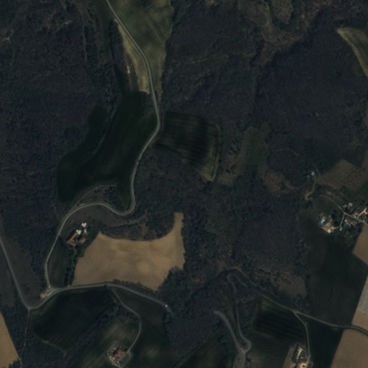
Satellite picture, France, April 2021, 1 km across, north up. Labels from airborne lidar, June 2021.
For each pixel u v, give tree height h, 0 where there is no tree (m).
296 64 23
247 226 20
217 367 0
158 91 8
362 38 0
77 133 14
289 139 14
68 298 0
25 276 0
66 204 10
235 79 20
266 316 0
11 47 18
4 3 11
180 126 0
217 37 11
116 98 7
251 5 14
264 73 32
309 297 6
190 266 7
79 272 0
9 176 8
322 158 12
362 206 13
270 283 12
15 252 0
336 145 16
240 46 15
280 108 19
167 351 0
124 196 0
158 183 24
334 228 0
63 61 14
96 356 0
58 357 13
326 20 16
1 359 0
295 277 8
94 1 0
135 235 14
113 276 0
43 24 9
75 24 22
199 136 0
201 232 6
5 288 0
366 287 0
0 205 11
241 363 0
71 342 0
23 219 6
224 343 13
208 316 18
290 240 21
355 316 0
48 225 6
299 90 17
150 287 0
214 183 8
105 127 6
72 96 18
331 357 0
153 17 0
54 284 0
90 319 0
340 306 0
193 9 23
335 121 16
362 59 0
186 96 17
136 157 9
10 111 8
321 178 0
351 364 0
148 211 5
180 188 13
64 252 7
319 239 0
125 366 0
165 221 13
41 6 13
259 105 21
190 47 15
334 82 18
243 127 16
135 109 0
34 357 11
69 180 0
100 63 14
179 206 18
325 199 0
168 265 0
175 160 13
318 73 22
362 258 0
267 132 0
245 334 12
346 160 9
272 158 12
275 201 18
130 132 0
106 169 0
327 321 0
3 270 0
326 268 0
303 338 0
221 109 16
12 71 8
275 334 0
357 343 0
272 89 18
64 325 0
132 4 0
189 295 28
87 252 0
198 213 8
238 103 17
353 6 14
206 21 18
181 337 21
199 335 16
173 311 17
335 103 17
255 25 14
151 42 0
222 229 8
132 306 0
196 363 0
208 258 13
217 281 19
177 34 12
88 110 10
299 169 17
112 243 0
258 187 11
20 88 13
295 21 15
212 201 18
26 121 10
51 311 0
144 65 0
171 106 16
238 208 20
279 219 20
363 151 9
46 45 7
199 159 0
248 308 19
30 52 9
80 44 9
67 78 10
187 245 13
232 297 13
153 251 0
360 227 13
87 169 0
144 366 0
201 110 18
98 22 12
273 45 8
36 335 0
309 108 16
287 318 0
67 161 0
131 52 0
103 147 0
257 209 26
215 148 0
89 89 17
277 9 8
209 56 13
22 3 9
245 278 8
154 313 0
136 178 13
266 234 17
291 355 0
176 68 19
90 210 0
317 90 15
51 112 18
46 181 12
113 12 0
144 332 0
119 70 0
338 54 26
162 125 0
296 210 11
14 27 12
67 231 0
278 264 18
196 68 14
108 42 0
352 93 20
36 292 0
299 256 15
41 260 8
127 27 0
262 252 12
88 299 0
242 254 17
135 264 0
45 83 15
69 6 14
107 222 0
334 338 0
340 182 0
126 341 0
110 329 0
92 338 7
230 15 22
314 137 14
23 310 11
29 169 11
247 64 27
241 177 14
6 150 8
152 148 9
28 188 11
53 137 14
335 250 0
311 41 20
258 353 0
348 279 0
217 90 21
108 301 0
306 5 18
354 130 18
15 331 6
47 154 9
